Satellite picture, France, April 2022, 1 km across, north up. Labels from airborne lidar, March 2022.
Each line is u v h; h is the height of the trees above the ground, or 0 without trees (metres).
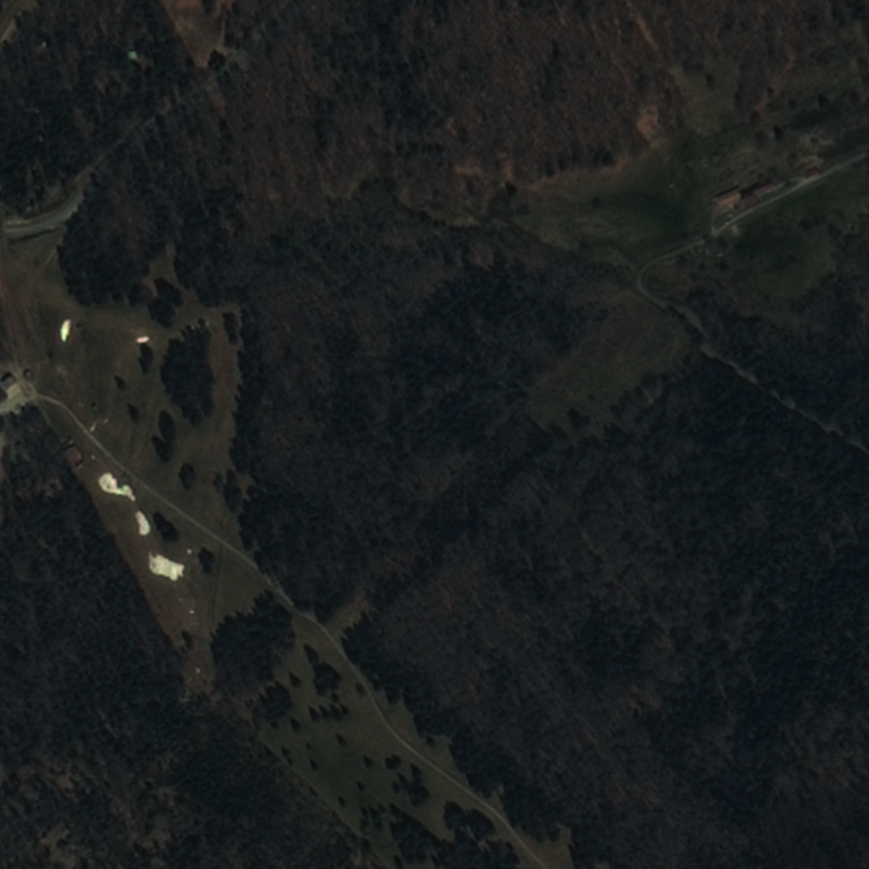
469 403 29
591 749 26
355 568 26
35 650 15
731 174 0
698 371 20
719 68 0
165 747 9
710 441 18
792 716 30
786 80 0
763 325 21
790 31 18
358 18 24
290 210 18
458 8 20
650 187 0
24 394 0
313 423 27
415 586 23
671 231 0
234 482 14
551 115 22
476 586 20
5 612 17
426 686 20
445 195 18
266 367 24
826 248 0
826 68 0
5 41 0
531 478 23
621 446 29
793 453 26
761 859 8
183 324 0
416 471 29
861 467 23
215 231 13
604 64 24
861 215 6
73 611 17
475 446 26
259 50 20
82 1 19
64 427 0
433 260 17
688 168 0
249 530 17
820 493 28
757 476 28
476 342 23
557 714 24
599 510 26
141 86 24
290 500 21
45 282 0
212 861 19
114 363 0
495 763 22
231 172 16
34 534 24
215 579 0
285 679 0
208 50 0
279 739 0
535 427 12
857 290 27
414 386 22
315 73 23
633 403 22
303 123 20
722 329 19
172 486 0
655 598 20
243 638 16
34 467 16
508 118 22
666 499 30
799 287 0
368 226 15
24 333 0
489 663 20
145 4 15
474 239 17
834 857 12
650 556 31
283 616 17
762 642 20
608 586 27
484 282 20
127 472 0
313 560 20
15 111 16
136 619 17
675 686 29
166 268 0
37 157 19
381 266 17
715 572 22
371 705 0
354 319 31
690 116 0
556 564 27
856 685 17
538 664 27
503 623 28
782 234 0
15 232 0
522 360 16
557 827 16
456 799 0
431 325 16
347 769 0
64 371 0
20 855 19
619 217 0
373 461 28
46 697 19
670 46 18
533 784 17
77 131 21
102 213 23
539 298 14
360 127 16
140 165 22
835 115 0
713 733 29
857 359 21
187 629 0
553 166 14
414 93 25
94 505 22
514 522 24
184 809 17
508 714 27
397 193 14
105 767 19
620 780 24
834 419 24
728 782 25
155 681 24
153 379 0
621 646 28
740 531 27
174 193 21
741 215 0
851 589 30
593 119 24
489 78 22
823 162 0
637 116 22
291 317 25
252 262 25
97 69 23
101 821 20
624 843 21
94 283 17
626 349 0
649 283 0
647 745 27
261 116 24
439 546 9
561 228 0
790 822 13
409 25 19
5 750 19
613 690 28
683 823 22
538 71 22
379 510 24
